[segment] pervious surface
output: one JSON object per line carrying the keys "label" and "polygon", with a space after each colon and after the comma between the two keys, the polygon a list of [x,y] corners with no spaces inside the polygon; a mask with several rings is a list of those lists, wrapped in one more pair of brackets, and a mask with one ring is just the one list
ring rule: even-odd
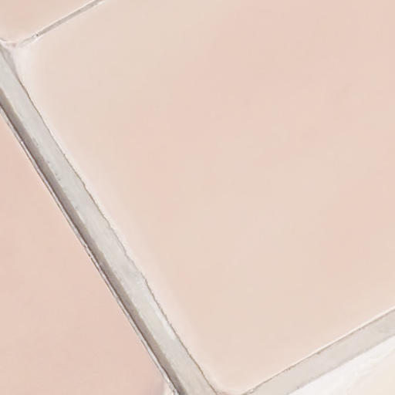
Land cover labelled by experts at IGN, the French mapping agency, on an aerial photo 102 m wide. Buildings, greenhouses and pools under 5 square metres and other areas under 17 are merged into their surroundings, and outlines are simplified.
{"label": "pervious surface", "polygon": [[290,395],[395,336],[395,309],[372,319],[369,329],[332,347],[318,358],[307,361],[275,380],[268,376],[268,380],[261,381],[241,395]]}
{"label": "pervious surface", "polygon": [[56,54],[51,49],[56,49],[54,43],[62,43],[69,35],[82,34],[83,29],[77,23],[83,22],[88,15],[94,14],[97,9],[114,0],[83,0],[62,14],[46,20],[34,31],[23,32],[15,39],[11,39],[8,32],[0,28],[0,89],[12,106],[15,116],[19,117],[25,127],[26,133],[34,140],[35,147],[45,159],[52,176],[56,177],[63,193],[88,230],[89,236],[96,242],[99,252],[110,265],[117,281],[150,330],[154,341],[159,344],[160,350],[173,367],[187,395],[231,395],[216,389],[208,380],[208,376],[201,376],[185,356],[184,350],[179,346],[179,341],[182,341],[181,335],[177,333],[164,307],[154,295],[147,276],[140,272],[136,262],[130,258],[116,230],[111,227],[110,221],[100,210],[91,191],[86,188],[82,176],[69,162],[51,133],[52,130],[56,130],[56,125],[52,122],[48,105],[43,102],[40,91],[54,80],[57,74],[57,68],[49,65],[51,62],[57,62]]}

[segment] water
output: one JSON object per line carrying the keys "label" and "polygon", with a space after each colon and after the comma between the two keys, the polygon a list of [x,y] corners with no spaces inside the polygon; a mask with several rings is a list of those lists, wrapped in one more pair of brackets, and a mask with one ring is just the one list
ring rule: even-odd
{"label": "water", "polygon": [[57,62],[51,62],[49,65],[57,68],[57,74],[54,80],[40,91],[43,102],[48,105],[52,122],[56,125],[56,130],[52,130],[51,133],[69,162],[82,176],[86,188],[91,191],[100,210],[110,221],[111,227],[116,230],[130,258],[136,262],[140,272],[147,276],[154,295],[164,307],[177,333],[181,335],[182,341],[179,341],[179,346],[184,350],[185,356],[201,376],[208,376],[208,380],[216,389],[231,395],[241,395],[261,381],[268,380],[268,376],[275,380],[307,361],[318,358],[332,347],[369,329],[372,319],[395,309],[395,0],[114,0],[97,9],[94,14],[88,15],[83,22],[77,23],[83,29],[82,34],[69,35],[62,43],[54,43],[56,49],[51,49],[56,54]]}
{"label": "water", "polygon": [[395,395],[395,336],[290,395]]}
{"label": "water", "polygon": [[0,28],[8,32],[11,39],[15,39],[23,32],[34,31],[46,20],[62,14],[83,0],[0,0]]}
{"label": "water", "polygon": [[150,330],[117,281],[110,265],[99,252],[96,242],[89,236],[88,230],[63,193],[56,177],[52,176],[45,159],[35,147],[34,140],[26,133],[25,127],[19,117],[15,116],[12,106],[0,89],[0,395],[187,395],[173,367],[160,350],[159,344],[154,341]]}

